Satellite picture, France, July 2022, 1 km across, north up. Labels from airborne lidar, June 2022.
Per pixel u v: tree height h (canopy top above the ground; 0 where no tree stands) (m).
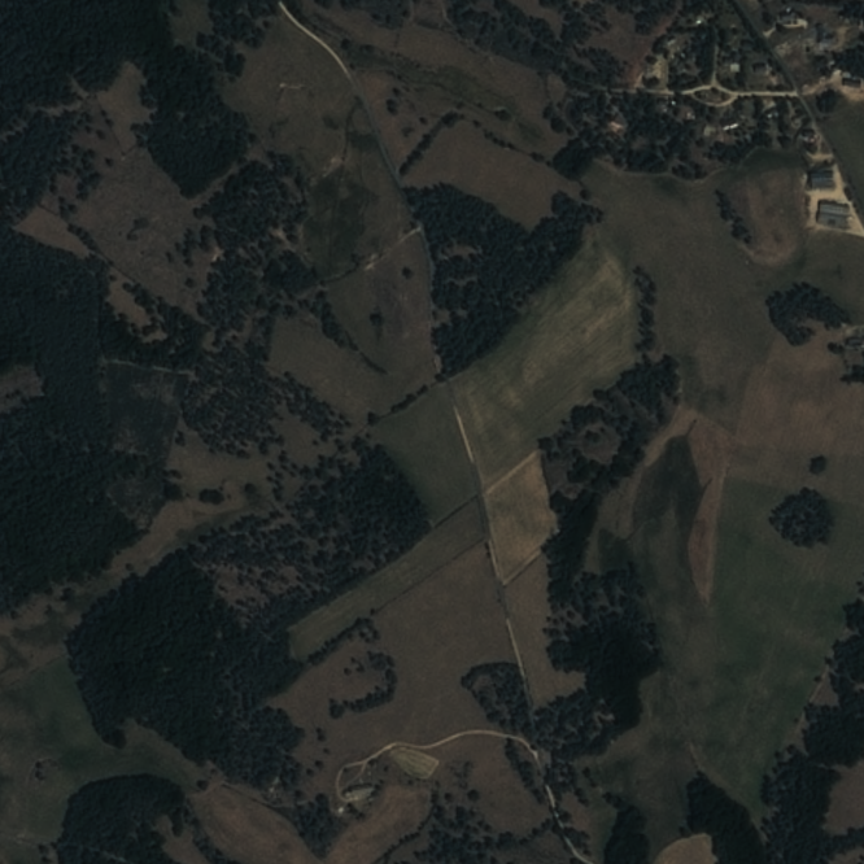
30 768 0
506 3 17
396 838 0
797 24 0
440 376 10
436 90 0
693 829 14
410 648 0
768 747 0
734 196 0
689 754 0
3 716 0
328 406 16
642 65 0
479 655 0
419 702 0
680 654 0
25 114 17
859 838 16
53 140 18
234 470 0
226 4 21
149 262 0
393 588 0
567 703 18
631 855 18
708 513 0
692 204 0
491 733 0
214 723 12
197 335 19
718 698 0
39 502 17
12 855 0
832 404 0
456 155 0
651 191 0
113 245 0
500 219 20
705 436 0
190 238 14
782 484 0
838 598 0
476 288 9
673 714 0
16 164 15
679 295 0
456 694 0
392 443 0
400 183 0
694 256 0
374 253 0
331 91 0
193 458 0
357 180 0
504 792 0
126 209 0
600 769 0
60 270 15
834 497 0
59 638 0
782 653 0
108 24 21
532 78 0
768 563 0
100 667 18
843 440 0
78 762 0
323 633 0
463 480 0
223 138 20
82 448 17
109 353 16
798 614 0
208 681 17
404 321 0
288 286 20
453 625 0
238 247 20
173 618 16
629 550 0
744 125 7
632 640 22
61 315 18
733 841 15
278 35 0
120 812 17
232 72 18
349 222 0
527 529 0
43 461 19
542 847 0
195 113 21
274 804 0
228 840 0
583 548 21
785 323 18
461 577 0
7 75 19
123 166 0
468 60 0
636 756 0
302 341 0
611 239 0
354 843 0
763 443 0
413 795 0
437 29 0
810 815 13
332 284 0
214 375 19
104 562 13
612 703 22
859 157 0
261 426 16
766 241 0
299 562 19
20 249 18
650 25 21
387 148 0
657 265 0
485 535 0
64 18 22
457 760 0
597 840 0
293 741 14
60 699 0
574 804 0
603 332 0
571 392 0
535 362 0
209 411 22
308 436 0
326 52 0
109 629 15
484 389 0
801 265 0
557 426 0
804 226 0
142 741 0
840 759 14
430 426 0
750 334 0
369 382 0
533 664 0
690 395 0
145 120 0
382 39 0
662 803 0
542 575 0
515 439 0
